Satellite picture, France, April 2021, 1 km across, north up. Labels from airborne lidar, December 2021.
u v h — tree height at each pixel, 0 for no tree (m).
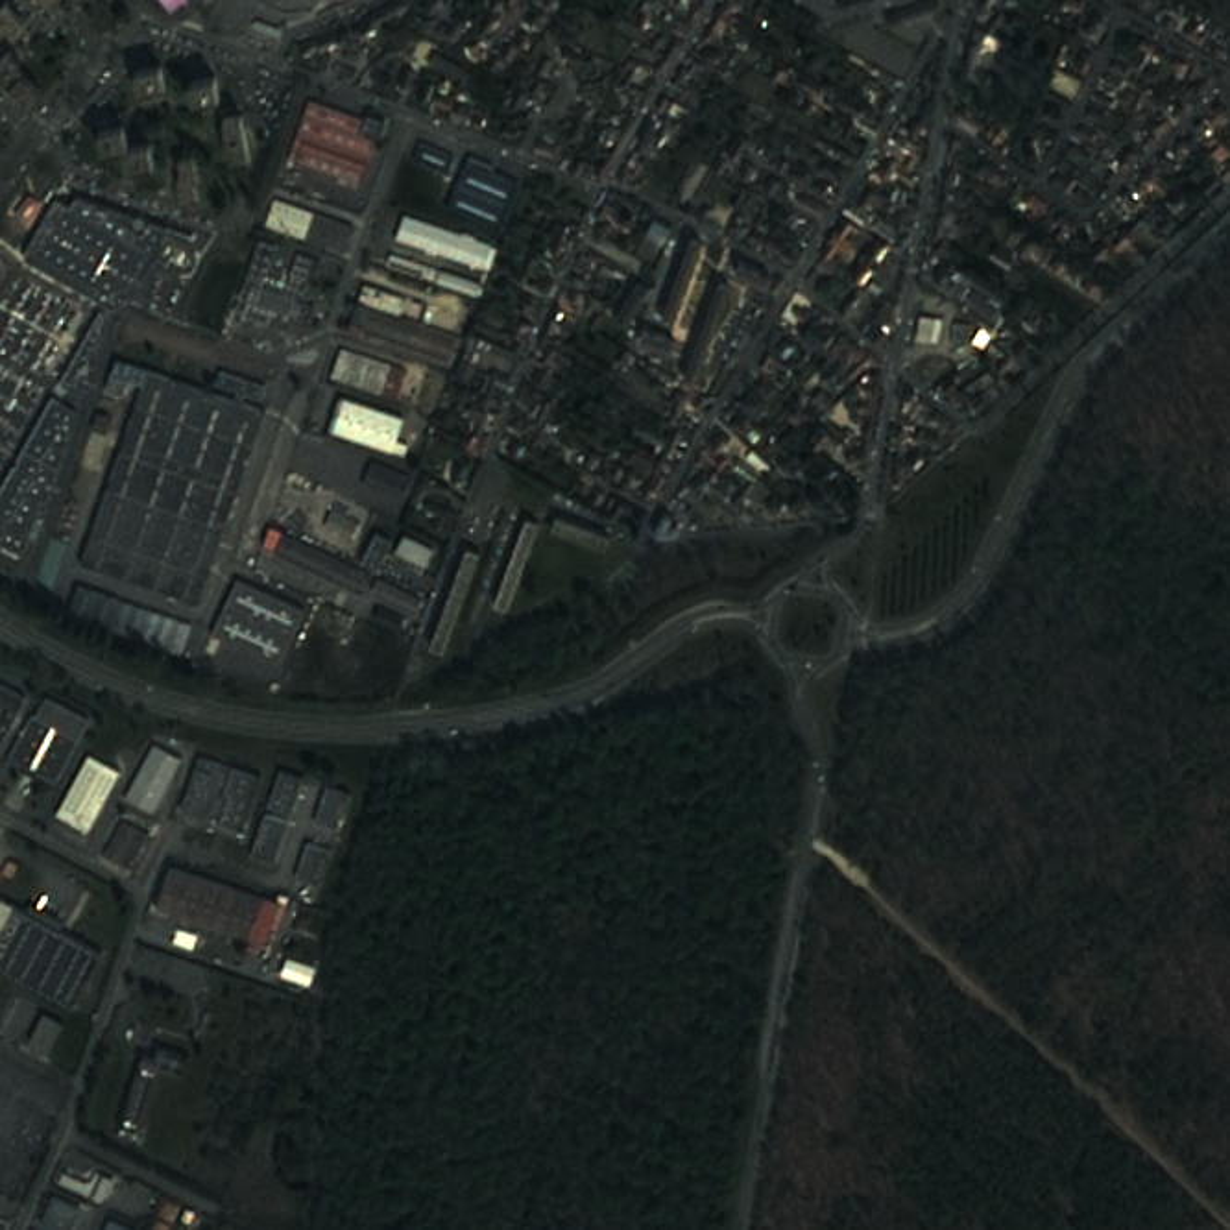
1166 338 24
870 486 0
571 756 8
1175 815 15
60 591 0
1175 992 15
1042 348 17
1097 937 11
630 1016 21
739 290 0
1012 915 20
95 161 8
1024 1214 18
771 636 0
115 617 0
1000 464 0
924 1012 18
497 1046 20
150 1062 0
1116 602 27
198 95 0
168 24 0
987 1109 12
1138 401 27
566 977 8
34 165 0
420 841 18
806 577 0
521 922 17
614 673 0
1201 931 16
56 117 0
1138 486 22
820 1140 16
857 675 13
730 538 0
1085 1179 14
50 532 0
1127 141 0
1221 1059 18
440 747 22
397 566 0
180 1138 0
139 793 0
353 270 0
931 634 0
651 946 24
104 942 0
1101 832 12
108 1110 0
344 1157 21
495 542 6
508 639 19
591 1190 22
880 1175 14
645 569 21
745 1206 0
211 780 0
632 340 0
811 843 0
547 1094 22
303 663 0
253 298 0
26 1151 0
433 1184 21
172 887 0
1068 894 20
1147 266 20
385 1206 18
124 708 19
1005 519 0
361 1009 15
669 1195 18
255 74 0
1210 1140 15
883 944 14
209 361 0
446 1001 17
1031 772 28
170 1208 0
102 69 0
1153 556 21
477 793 21
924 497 0
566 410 6
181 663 17
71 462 0
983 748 30
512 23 0
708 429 0
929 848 25
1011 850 28
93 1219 0
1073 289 0
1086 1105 12
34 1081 0
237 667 0
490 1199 20
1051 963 7
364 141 0
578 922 20
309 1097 17
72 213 0
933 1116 20
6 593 7
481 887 20
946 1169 15
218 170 0
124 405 0
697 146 14
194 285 0
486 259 0
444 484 9
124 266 0
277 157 20
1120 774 27
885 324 0
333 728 0
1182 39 6
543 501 0
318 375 0
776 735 17
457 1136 21
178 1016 6
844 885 15
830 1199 14
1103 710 30
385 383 0
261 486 0
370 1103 13
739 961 21
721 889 21
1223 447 28
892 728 26
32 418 0
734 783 20
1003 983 10
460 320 0
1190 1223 7
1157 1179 17
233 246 0
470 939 20
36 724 0
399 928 17
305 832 0
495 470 0
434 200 0
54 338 0
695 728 16
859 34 0
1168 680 27
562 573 0
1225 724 19
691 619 0
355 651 0
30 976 0
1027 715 28
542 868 21
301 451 0
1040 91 21
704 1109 20
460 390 8
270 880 0
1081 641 30
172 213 0
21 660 11
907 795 16
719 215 0
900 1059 18
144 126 12
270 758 0
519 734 15
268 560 0
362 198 0
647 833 20
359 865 13
